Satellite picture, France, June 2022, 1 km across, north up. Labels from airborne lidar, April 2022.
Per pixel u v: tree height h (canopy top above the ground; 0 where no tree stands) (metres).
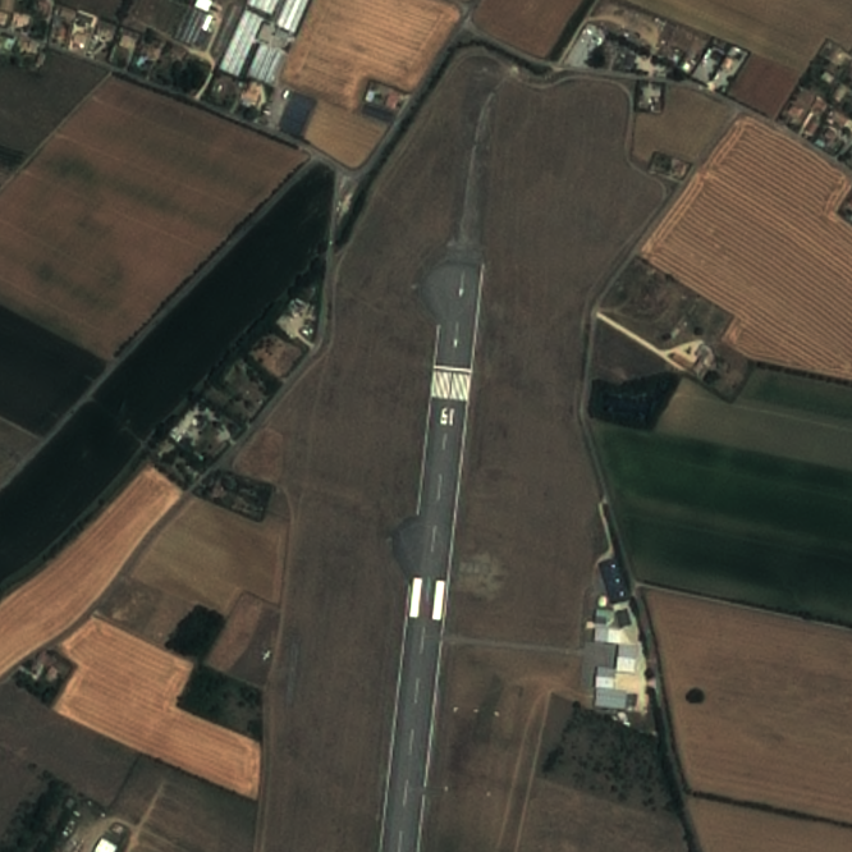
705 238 0
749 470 0
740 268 0
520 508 0
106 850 0
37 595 0
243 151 0
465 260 0
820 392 0
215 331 0
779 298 0
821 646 0
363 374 0
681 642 0
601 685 0
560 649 0
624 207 0
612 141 0
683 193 0
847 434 0
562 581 0
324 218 0
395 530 0
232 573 0
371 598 0
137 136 0
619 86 0
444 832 0
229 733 0
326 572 0
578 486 0
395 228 0
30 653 0
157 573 0
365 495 0
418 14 0
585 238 0
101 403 0
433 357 0
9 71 0
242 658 0
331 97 0
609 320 0
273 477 0
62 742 0
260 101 0
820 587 0
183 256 0
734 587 0
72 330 0
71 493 0
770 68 0
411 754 0
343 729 0
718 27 0
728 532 0
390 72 0
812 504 0
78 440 0
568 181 0
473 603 0
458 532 0
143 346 0
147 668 0
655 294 0
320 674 0
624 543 0
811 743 0
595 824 0
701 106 0
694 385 0
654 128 0
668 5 0
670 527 0
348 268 0
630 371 0
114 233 0
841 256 0
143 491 0
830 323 0
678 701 0
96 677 0
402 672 0
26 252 0
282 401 0
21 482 0
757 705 0
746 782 0
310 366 0
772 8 0
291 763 0
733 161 0
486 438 0
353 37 0
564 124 0
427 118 0
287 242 0
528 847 0
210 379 11
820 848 0
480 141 0
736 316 0
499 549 0
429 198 0
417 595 0
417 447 0
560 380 0
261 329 14
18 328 0
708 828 0
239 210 0
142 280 0
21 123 0
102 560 0
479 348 0
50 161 0
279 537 0
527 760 0
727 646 0
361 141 0
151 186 0
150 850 0
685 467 0
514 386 0
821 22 0
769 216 0
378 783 0
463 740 0
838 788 0
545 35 0
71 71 0
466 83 0
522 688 0
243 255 0
